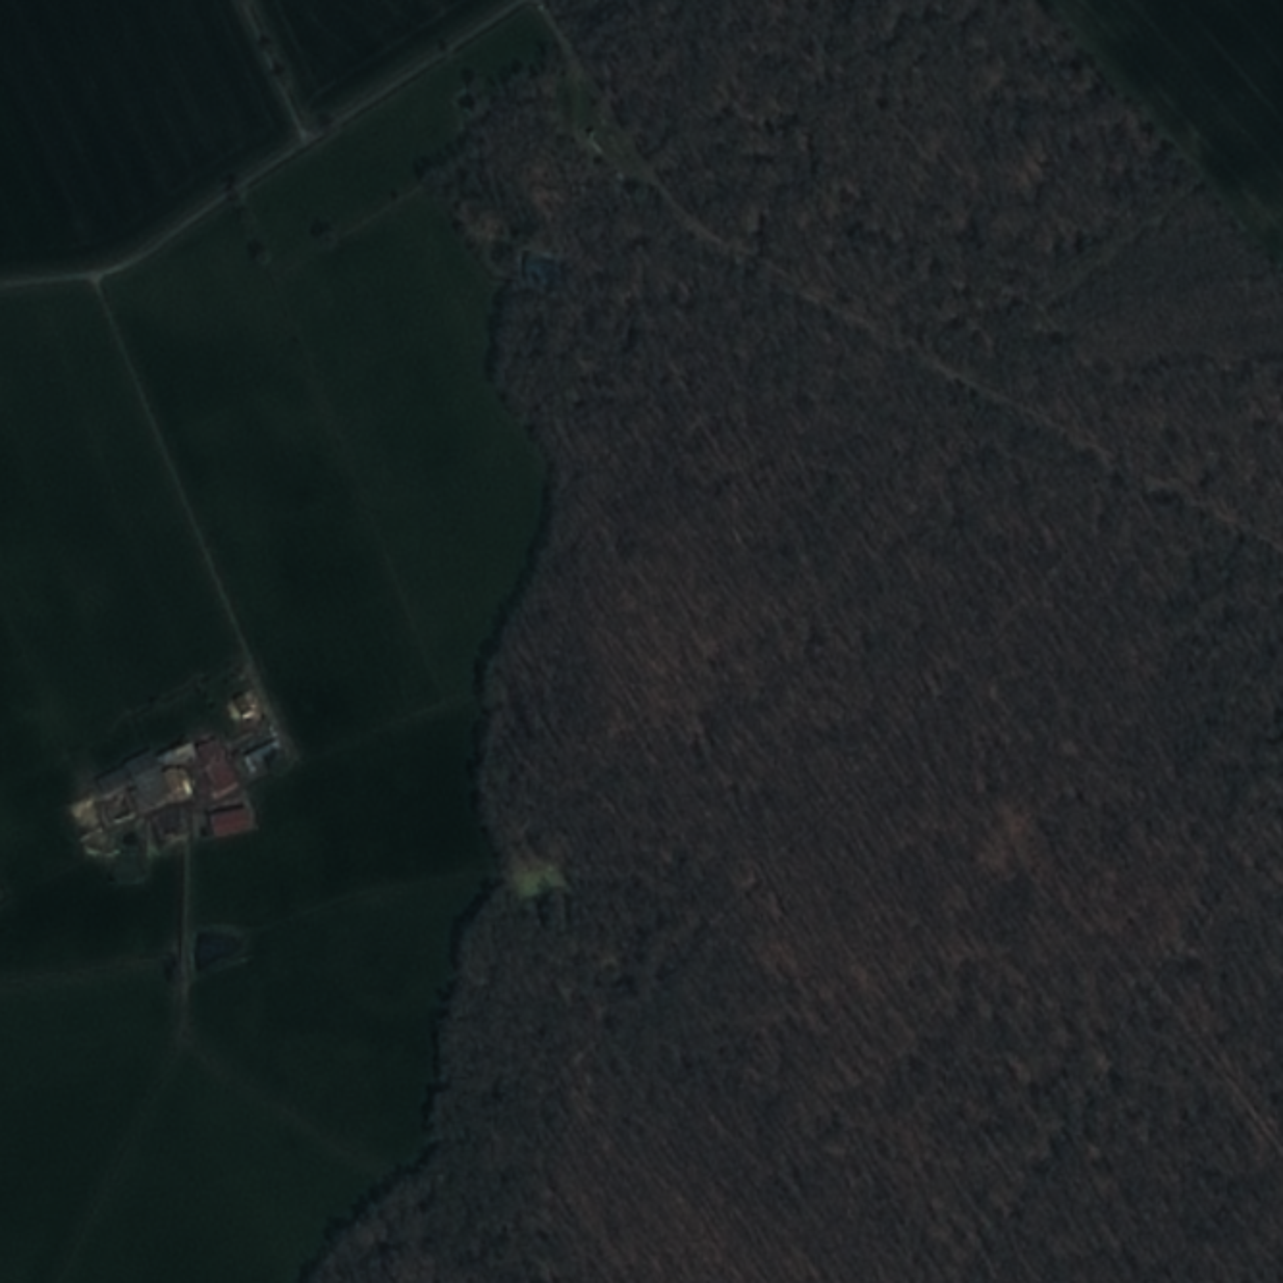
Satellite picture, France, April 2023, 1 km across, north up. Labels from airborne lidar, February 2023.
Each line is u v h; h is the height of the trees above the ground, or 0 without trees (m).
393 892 0
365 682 0
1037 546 21
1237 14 0
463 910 0
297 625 0
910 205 19
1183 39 0
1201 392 23
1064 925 25
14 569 0
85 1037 0
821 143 16
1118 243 20
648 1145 27
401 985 0
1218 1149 28
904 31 14
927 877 26
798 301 20
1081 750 25
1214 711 25
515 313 22
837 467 22
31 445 0
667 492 24
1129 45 0
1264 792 22
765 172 20
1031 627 24
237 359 0
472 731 0
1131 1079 24
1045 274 20
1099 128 25
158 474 0
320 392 0
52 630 0
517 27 0
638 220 12
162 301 0
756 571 22
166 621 0
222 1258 0
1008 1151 24
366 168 0
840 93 18
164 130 0
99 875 0
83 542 0
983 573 23
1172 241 12
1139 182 22
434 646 0
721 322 21
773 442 25
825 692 18
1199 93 0
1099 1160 21
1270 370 18
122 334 0
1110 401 21
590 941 21
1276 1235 25
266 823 0
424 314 0
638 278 22
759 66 20
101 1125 0
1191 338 14
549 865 21
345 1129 0
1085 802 21
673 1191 26
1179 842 23
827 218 19
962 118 23
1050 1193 28
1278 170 0
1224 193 0
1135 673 27
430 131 0
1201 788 26
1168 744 24
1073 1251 26
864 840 24
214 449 0
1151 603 24
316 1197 0
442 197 20
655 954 20
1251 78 0
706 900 23
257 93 0
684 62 22
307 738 0
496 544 0
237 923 0
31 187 0
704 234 20
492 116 22
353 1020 0
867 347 20
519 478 0
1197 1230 26
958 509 19
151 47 0
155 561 0
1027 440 16
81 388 0
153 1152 0
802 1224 31
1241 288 13
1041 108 13
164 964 0
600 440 25
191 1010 0
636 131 17
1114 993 25
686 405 21
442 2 0
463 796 0
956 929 23
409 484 0
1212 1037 25
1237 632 23
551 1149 23
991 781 23
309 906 0
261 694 0
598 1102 26
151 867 0
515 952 19
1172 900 22
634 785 17
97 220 0
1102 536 14
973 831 20
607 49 15
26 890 0
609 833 25
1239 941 26
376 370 0
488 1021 22
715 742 17
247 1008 0
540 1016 22
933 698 23
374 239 0
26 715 0
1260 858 22
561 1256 25
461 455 0
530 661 24
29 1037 0
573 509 20
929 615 23
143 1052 0
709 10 17
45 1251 0
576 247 20
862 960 27
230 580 0
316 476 0
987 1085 25
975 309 14
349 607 0
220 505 0
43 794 0
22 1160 0
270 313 0
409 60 0
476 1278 25
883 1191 26
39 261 0
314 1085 0
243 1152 0
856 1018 25
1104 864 19
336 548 0
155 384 0
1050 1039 23
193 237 0
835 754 22
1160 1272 22
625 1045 27
